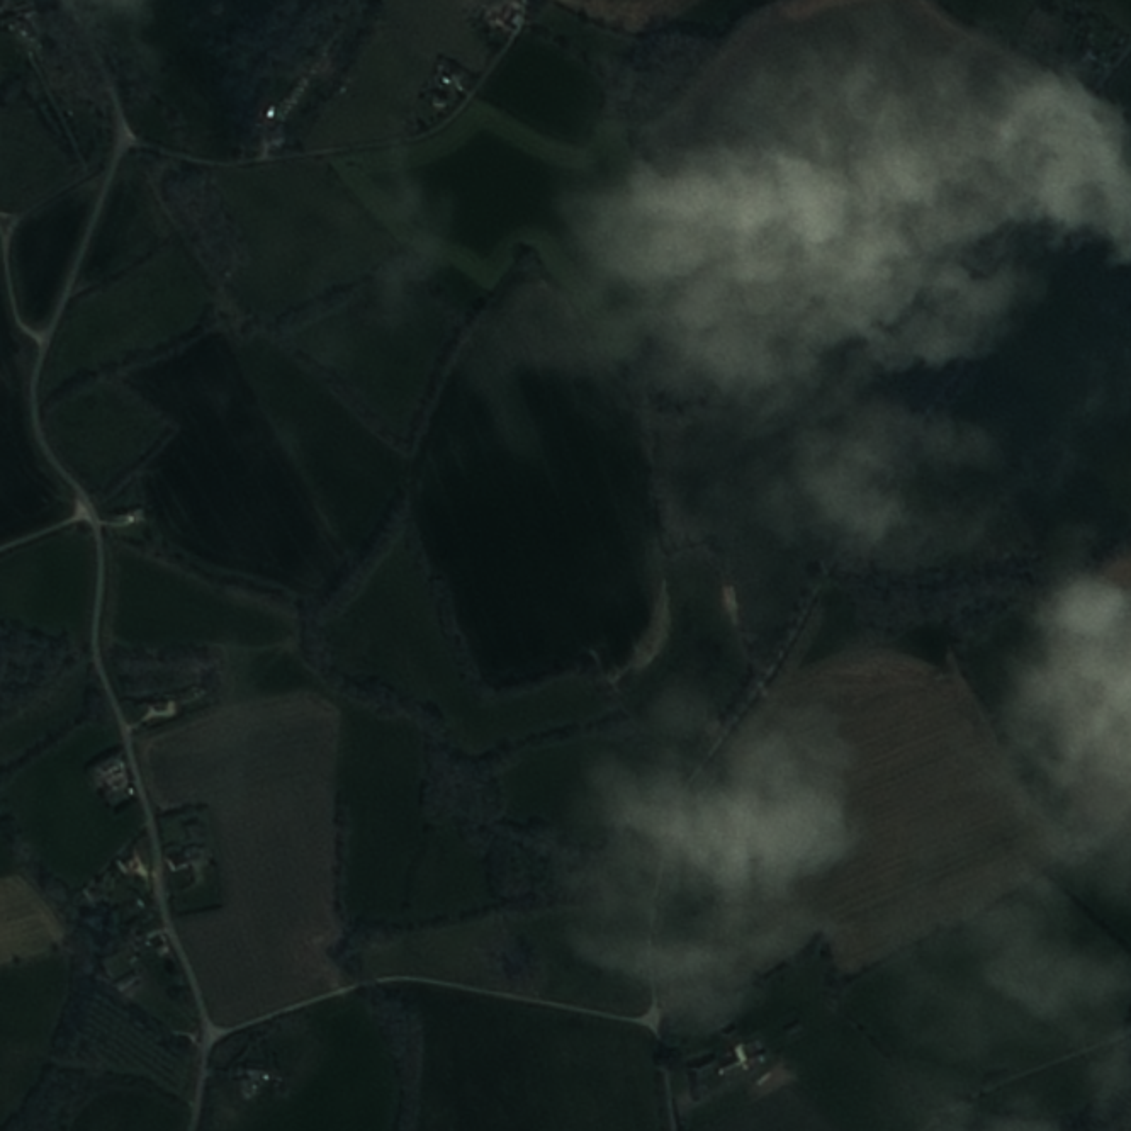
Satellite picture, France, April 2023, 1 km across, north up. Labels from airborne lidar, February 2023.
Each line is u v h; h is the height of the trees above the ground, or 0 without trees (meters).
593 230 0
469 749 0
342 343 0
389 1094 0
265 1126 0
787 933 0
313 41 7
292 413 0
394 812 0
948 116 0
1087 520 0
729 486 0
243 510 0
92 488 6
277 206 0
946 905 0
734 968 0
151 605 0
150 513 8
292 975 0
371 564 11
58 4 16
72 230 0
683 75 19
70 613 0
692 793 0
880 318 0
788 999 0
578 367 0
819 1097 0
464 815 13
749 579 0
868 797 0
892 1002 0
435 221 0
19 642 14
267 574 0
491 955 0
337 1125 0
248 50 6
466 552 0
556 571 0
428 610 0
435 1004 0
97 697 15
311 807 0
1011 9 0
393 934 10
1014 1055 0
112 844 0
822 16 0
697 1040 0
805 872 0
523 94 0
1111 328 0
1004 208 8
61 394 6
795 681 0
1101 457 0
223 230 15
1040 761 0
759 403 0
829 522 0
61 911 7
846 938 0
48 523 0
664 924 0
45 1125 13
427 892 0
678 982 0
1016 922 0
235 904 0
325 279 0
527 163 0
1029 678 0
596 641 0
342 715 0
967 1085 0
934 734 0
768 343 0
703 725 0
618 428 0
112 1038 30
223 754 0
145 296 0
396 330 0
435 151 0
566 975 0
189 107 0
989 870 0
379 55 0
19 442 0
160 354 8
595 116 0
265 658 0
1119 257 0
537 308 0
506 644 0
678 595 0
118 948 17
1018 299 0
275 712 0
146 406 5
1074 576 11
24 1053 0
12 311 0
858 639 0
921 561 9
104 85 14
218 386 0
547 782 0
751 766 0
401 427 0
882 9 0
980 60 0
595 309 0
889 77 0
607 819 0
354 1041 0
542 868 15
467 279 0
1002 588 17
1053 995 0
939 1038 0
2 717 16
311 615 13
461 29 0
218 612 0
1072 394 0
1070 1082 0
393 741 0
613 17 0
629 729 14
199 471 0
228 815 0
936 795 0
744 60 0
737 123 0
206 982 0
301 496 0
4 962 0
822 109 0
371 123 0
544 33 10
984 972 0
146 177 12
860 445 0
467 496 0
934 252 0
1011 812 0
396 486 0
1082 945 0
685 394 14
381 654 0
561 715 0
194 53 0
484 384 0
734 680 0
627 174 0
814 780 0
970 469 0
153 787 0
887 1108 0
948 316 0
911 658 0
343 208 0
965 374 17
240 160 6
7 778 8
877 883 0
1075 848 13
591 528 0
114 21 0
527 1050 0
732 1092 0
